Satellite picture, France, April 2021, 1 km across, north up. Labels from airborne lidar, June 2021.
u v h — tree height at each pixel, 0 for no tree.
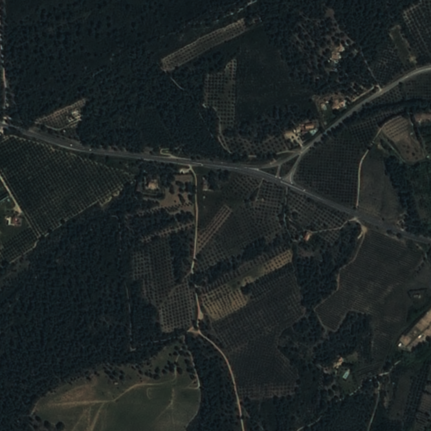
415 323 6
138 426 0
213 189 13
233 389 9
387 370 14
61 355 9
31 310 16
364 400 11
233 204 0
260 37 0
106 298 10
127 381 6
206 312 0
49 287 10
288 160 0
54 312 11
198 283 15
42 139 0
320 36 9
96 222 9
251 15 16
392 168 20
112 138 15
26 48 11
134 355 8
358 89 15
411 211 16
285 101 0
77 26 12
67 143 0
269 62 0
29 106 7
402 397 0
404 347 0
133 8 6
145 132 7
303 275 12
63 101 11
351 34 9
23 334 12
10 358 12
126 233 10
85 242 11
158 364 0
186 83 15
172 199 0
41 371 12
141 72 17
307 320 12
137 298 11
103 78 13
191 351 14
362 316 12
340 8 14
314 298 11
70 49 15
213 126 17
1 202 0
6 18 10
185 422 0
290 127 13
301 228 7
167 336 12
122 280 8
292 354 9
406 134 0
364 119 15
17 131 14
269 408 0
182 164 0
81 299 11
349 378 0
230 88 0
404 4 7
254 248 11
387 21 18
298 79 14
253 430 8
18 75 15
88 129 13
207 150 14
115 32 11
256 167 0
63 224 10
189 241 12
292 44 6
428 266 0
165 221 14
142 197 15
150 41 9
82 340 9
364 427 10
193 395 0
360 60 14
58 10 13
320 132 7
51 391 16
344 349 16
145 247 6
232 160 17
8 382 14
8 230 0
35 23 13
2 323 11
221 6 8
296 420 9
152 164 11
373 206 0
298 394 7
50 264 14
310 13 13
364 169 0
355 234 8
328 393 15
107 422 0
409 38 9
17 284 8
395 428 6
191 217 14
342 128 14
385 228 0
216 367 9
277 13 13
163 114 19
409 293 5
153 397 0
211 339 11
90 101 6
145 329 12
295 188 0
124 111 12
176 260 11
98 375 17
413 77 0
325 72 13
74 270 14
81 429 0
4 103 9
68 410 0
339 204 0
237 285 0
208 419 11
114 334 8
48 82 10
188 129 13
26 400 15
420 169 14
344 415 8
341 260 8
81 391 0
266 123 11
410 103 14
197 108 13
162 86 13
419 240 0
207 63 16
